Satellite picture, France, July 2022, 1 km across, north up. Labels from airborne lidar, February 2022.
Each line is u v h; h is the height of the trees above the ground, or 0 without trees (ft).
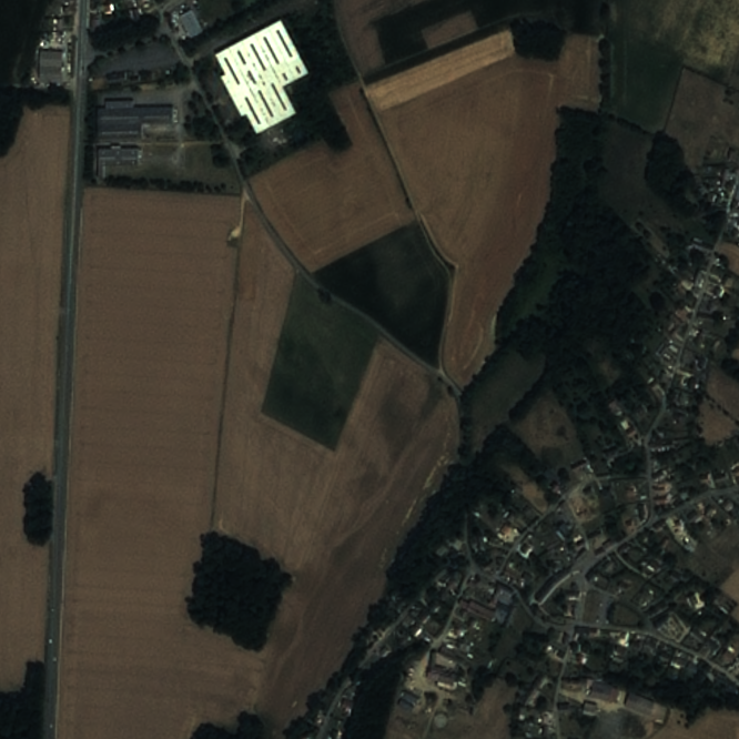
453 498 75
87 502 0
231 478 0
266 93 0
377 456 0
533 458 34
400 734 0
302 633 0
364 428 0
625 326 38
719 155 0
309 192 0
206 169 0
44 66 0
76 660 0
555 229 39
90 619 0
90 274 0
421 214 0
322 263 0
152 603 0
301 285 0
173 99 0
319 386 0
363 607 0
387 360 0
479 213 0
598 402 29
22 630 0
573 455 0
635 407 36
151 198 0
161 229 0
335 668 0
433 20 0
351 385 0
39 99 59
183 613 0
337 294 0
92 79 0
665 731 0
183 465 0
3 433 0
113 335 0
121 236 0
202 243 0
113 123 0
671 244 21
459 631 0
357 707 52
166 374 0
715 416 0
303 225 0
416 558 39
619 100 0
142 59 0
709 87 0
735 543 0
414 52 0
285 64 0
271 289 0
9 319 0
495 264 0
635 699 0
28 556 0
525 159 0
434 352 0
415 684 0
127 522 0
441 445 0
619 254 90
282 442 0
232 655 0
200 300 0
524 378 0
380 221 0
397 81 0
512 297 34
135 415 0
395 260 0
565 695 0
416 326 0
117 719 0
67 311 0
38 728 79
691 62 0
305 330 0
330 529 0
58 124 0
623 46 0
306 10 0
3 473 0
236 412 0
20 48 0
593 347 0
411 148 0
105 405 0
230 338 0
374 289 0
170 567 0
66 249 0
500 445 52
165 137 0
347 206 0
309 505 0
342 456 0
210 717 0
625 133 0
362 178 0
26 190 0
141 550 0
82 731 0
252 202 0
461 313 0
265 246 0
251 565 96
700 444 22
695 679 23
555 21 0
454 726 0
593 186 24
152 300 0
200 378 0
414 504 0
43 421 0
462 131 0
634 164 0
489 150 0
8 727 91
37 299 0
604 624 0
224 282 0
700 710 41
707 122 0
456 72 0
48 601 0
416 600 32
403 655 34
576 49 0
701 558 0
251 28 0
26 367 0
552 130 0
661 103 0
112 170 0
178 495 0
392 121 0
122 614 0
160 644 0
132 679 0
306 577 0
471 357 0
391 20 0
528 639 36
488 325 0
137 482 0
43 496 68
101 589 0
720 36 0
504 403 0
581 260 70
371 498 0
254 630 66
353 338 0
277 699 0
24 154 0
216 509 0
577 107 0
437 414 0
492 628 0
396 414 0
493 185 0
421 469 0
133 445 0
